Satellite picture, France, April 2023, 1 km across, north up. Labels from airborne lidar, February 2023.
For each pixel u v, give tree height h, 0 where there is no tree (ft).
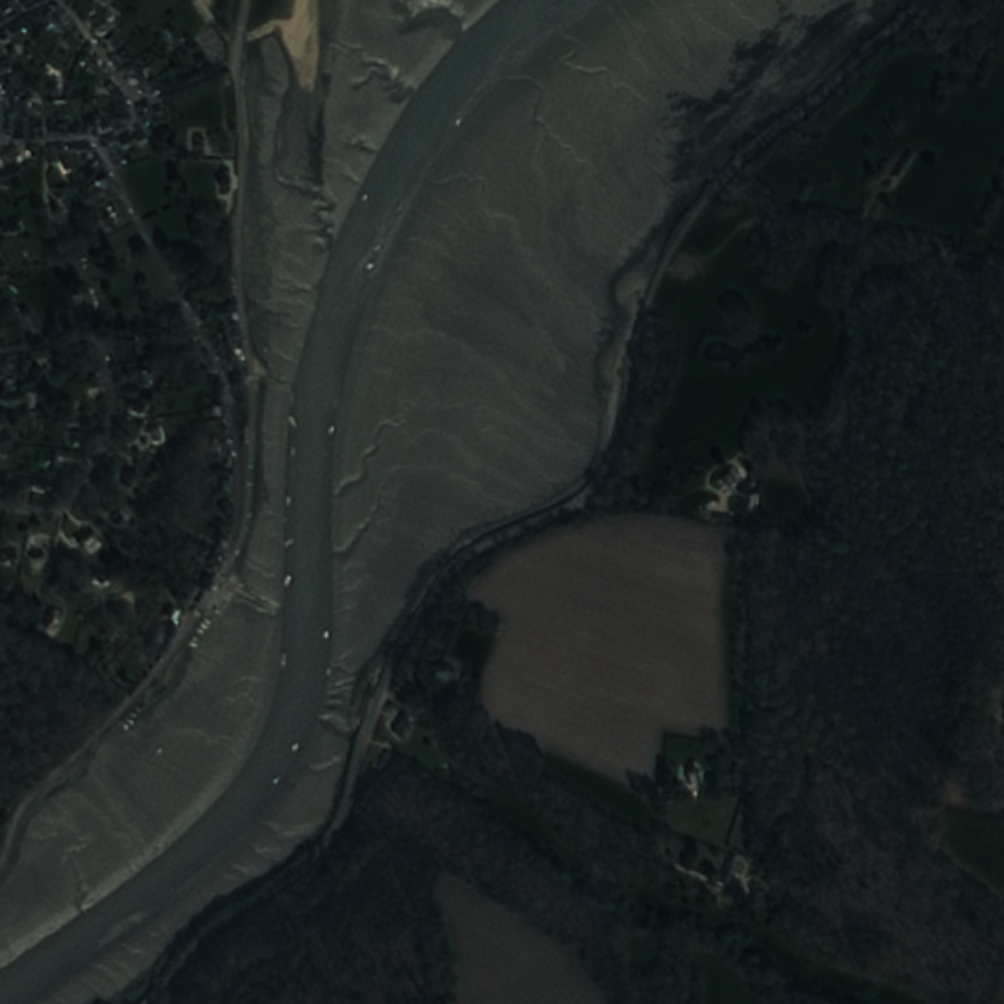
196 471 59
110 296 73
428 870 58
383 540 0
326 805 0
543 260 0
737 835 0
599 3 0
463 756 73
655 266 0
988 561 64
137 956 0
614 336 0
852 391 72
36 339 54
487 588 0
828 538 80
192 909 0
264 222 0
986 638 75
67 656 63
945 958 69
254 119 0
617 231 0
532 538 27
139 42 0
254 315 0
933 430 74
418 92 0
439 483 0
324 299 0
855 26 0
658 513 66
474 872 91
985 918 32
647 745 0
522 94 0
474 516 0
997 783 63
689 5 0
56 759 52
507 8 0
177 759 0
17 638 98
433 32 0
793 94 0
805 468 64
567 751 0
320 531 0
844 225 58
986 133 0
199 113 0
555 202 0
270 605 0
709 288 0
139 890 0
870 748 78
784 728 91
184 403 0
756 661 62
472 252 0
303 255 0
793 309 0
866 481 78
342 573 0
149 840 0
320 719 0
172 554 67
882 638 79
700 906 51
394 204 0
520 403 0
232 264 49
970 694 60
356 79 0
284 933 75
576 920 75
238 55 0
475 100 0
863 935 81
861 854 33
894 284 67
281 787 0
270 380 0
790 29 0
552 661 0
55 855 0
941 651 74
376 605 0
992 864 0
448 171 0
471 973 0
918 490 73
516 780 78
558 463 0
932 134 0
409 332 0
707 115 0
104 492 54
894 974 69
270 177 0
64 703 64
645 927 40
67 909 0
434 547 0
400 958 56
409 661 59
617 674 0
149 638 36
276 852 0
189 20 0
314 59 0
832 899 68
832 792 77
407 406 0
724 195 67
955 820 0
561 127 0
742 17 0
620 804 0
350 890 64
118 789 0
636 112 0
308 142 0
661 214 0
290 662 0
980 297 71
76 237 74
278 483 0
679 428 0
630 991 68
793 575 73
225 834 0
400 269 0
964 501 56
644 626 0
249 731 0
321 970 58
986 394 69
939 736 74
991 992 78
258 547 0
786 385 0
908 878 45
